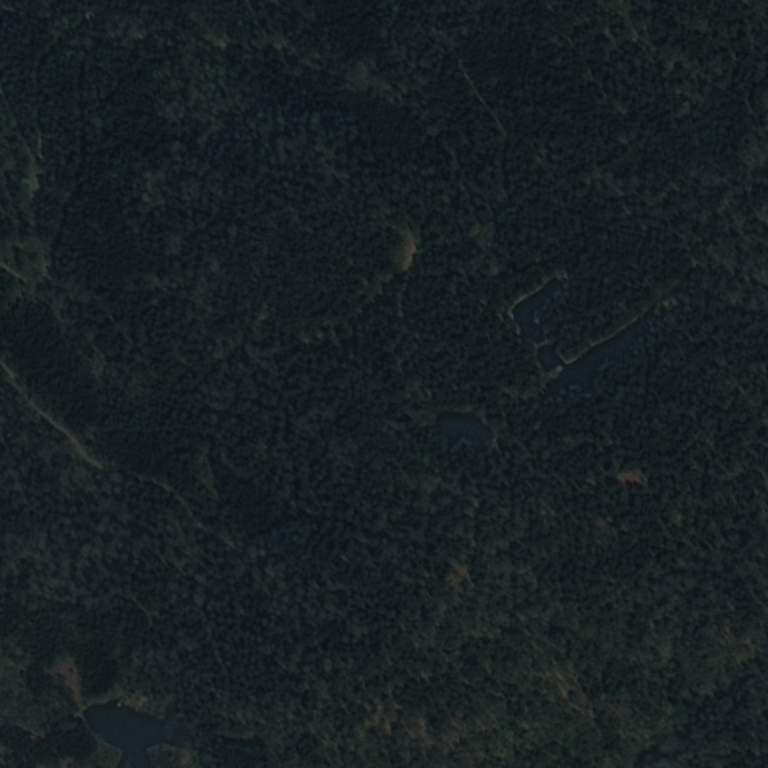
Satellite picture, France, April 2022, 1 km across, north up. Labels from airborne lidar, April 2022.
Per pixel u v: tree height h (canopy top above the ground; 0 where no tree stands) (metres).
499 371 21
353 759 32
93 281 29
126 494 15
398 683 25
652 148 25
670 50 35
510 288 27
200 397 27
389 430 32
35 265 27
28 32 28
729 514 20
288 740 28
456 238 19
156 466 9
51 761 24
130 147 24
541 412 18
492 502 25
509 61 17
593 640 6
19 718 25
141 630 26
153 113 17
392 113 12
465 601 24
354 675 20
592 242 22
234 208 20
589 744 30
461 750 24
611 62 11
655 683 29
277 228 15
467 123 23
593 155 23
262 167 23
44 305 12
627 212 21
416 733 28
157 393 14
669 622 10
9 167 35
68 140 29
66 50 15
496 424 27
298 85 15
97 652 15
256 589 32
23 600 11
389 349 30
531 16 23
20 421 22
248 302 31
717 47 17
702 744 26
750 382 22
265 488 25
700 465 20
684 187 22
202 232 18
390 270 27
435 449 25
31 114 28
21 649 16
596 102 20
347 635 19
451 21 15
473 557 26
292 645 11
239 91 9
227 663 17
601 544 27
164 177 31
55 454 27
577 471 23
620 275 25
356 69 23
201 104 6
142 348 33
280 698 30
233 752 24
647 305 31
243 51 13
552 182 21
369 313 10
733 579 29
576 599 6
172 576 19
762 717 25
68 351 15
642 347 18
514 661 14
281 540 16
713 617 25
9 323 14
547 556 27
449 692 20
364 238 17
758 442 17
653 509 23
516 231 24
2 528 18
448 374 27
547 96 12
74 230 26
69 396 16
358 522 26
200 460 23
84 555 31
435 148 13
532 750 31
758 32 19
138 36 31
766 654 24
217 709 25
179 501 18
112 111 28
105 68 34
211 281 19
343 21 19
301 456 35
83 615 26
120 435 17
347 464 29
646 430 22
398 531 15
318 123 24
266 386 20
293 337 15
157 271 25
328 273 20
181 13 28
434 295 23
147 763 0
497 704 27
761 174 13
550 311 14
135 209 17
